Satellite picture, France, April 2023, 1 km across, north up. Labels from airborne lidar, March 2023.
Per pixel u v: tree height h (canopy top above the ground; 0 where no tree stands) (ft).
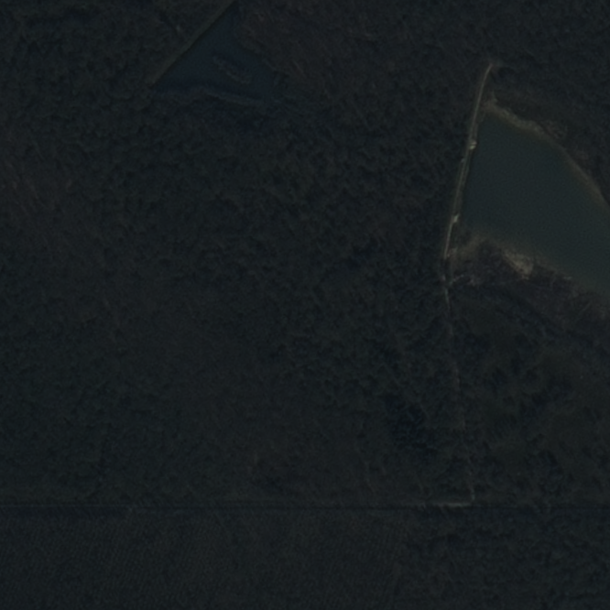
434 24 77
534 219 0
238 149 62
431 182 94
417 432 76
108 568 136
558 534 72
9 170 94
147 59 73
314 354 79
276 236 82
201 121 89
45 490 87
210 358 76
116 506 0
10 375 84
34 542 125
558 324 0
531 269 0
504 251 0
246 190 73
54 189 85
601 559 85
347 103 57
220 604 106
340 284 78
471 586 78
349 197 60
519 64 78
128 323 68
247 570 80
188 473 77
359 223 72
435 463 73
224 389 70
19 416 79
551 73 70
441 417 72
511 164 0
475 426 86
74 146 66
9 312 95
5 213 63
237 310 83
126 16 82
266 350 80
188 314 77
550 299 0
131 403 77
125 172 54
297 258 98
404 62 81
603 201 0
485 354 89
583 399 0
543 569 71
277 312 75
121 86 80
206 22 42
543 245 0
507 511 41
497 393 76
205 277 78
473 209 0
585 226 0
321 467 70
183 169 96
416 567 79
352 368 61
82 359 85
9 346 83
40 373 70
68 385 74
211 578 110
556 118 0
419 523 60
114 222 76
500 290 0
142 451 92
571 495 86
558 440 0
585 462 0
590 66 82
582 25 81
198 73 0
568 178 0
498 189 0
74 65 82
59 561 131
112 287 77
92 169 96
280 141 91
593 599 70
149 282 71
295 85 24
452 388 71
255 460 67
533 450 93
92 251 86
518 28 81
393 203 73
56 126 61
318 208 85
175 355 74
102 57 83
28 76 69
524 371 74
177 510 121
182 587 123
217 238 75
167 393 87
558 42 76
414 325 73
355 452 84
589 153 0
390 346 56
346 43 86
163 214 90
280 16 85
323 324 94
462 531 64
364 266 87
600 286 0
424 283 68
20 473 87
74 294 94
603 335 0
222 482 77
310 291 83
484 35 86
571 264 0
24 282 85
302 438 72
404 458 82
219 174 76
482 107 0
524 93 70
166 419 88
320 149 57
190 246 78
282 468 75
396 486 77
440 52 85
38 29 71
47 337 85
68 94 85
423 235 75
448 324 70
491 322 0
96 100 86
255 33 66
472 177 0
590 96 78
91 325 70
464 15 81
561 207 0
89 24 74
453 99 92
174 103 34
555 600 80
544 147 0
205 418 94
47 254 78
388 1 80
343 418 50
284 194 89
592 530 60
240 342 80
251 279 83
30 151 60
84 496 67
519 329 74
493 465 72
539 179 0
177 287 84
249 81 42
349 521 99
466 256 0
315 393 75
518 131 0
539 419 68
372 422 81
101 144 73
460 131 66
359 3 85
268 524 108
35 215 90
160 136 78
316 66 83
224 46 0
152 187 93
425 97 91
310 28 89
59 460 76
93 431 78
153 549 138
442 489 66
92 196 76
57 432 83
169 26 78
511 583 74
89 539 122
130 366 79
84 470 72
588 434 0
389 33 74
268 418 75
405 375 90
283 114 20
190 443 88
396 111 68
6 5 61
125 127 79
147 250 72
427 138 89
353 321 91
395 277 59
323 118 51
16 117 57
